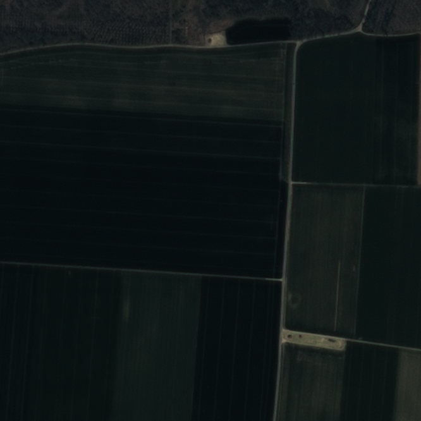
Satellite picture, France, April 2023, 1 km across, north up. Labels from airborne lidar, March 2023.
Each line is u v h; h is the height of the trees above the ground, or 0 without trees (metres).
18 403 0
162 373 0
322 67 0
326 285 0
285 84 0
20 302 0
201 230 0
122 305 0
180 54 0
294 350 0
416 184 0
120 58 0
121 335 0
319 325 0
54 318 0
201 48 0
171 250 0
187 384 0
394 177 0
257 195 0
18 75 0
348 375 0
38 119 0
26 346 0
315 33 27
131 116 0
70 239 0
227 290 0
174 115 0
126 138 0
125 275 0
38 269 0
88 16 17
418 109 0
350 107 0
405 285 0
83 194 0
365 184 0
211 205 0
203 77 0
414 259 0
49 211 0
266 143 0
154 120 0
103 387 0
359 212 0
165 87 0
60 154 0
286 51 0
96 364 0
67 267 0
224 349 0
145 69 0
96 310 0
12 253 0
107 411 0
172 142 0
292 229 0
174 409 0
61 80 0
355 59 0
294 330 0
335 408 0
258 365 0
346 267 0
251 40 0
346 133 0
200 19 0
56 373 0
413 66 0
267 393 0
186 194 0
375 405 0
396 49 0
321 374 0
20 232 0
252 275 0
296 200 0
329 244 0
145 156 0
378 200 0
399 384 0
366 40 0
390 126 0
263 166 0
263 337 0
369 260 0
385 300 0
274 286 0
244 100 0
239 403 0
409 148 0
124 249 0
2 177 0
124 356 0
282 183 0
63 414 0
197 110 0
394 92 0
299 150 0
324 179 0
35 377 0
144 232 0
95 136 0
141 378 0
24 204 0
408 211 0
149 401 0
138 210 0
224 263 0
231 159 0
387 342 0
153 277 0
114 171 0
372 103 0
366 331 0
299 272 0
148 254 0
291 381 0
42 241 0
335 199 0
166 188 0
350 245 0
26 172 0
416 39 0
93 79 0
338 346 0
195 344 0
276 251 0
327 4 0
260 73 0
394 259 0
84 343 0
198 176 0
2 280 0
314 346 0
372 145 0
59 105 0
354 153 0
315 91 0
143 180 0
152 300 0
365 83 0
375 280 0
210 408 0
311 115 0
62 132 0
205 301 0
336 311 0
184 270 0
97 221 0
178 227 0
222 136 0
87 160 0
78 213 0
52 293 0
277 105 0
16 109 0
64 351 0
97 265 0
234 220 0
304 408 0
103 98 0
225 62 0
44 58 0
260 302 0
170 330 0
